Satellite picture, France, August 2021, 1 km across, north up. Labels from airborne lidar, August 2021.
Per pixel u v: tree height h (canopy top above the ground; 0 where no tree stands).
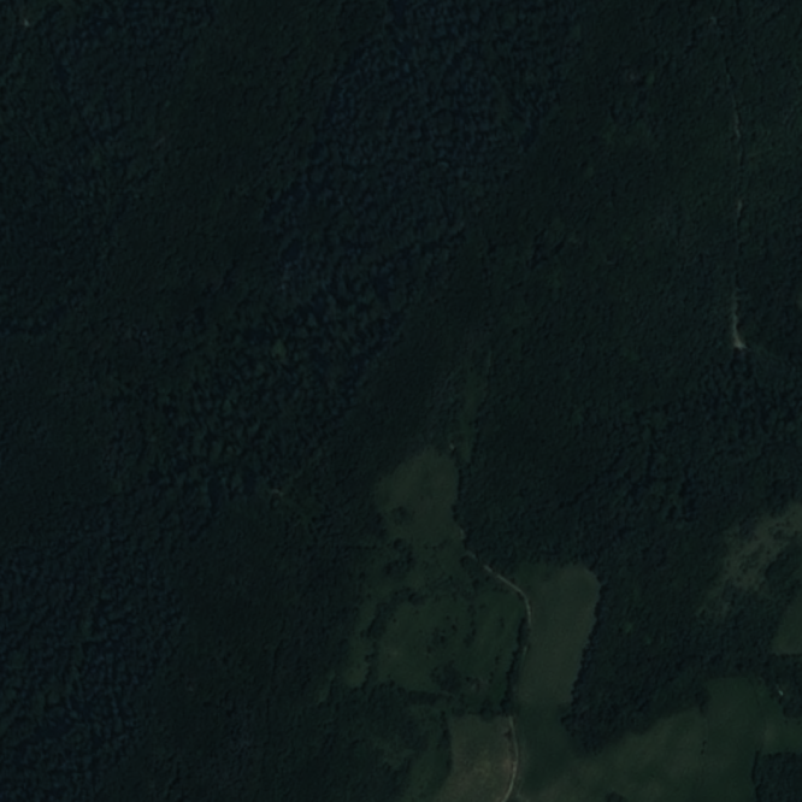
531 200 23
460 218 31
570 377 32
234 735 23
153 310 33
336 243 33
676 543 26
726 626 12
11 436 29
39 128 9
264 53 30
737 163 11
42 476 23
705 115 15
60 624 28
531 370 24
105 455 30
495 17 31
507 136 30
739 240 17
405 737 8
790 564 10
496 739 0
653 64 35
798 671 16
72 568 29
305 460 19
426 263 31
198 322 14
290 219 33
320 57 27
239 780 25
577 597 0
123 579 20
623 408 26
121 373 35
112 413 31
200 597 21
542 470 18
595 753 12
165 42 27
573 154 26
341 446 23
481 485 20
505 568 17
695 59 22
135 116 31
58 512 27
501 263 26
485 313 19
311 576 16
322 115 33
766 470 21
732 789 0
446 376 12
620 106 32
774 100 17
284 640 13
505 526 25
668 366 25
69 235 8
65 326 31
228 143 25
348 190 36
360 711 12
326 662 15
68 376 30
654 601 32
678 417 25
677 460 23
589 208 25
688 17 29
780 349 9
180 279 24
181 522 17
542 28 19
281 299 38
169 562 22
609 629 24
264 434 15
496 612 0
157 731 20
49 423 25
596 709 31
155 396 31
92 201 13
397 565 12
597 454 22
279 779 14
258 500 28
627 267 23
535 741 0
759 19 24
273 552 19
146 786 29
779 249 21
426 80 32
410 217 30
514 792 0
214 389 7
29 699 27
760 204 21
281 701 19
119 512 28
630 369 23
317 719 21
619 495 32
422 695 9
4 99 18
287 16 26
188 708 27
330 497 20
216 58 27
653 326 19
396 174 31
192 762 26
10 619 29
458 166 28
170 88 27
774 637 14
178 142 27
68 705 24
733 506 20
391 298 35
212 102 28
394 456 13
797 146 14
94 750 15
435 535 0
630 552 24
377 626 11
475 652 0
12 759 18
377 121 34
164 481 26
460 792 0
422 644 0
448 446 13
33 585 25
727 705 0
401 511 9
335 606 11
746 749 0
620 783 0
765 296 25
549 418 22
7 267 9
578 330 17
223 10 25
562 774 0
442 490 0
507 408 18
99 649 11
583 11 26
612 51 25
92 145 6
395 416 26
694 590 20
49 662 30
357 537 13
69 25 26
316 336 7
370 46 27
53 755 20
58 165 7
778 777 24
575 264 28
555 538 21
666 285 20
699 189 14
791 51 22
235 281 33
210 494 13
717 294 22
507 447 15
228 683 30
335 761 18
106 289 25
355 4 24
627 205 21
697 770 0
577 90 20
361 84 27
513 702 17
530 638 17
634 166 22
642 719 23
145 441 20
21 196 8
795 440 22
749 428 24
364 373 22
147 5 21
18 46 12
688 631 18
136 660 27
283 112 33
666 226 14
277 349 38
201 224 27
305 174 31
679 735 0
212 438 17
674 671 30
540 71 30
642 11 26
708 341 17
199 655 15
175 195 28
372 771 7
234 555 26
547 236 31
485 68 18
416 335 20
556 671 0
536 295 30
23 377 24
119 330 27
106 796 21
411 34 28
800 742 0
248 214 30
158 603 20
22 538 32
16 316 10
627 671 34
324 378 13
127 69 30
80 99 29
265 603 26
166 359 31
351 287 6
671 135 23
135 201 25
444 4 34
